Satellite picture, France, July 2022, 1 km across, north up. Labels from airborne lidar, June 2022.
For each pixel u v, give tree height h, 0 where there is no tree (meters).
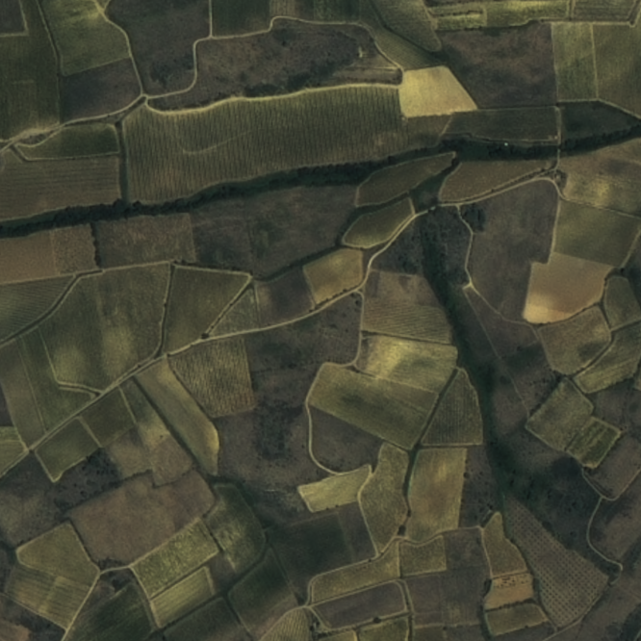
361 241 0
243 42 0
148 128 0
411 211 0
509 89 0
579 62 0
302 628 0
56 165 0
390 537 0
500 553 0
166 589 0
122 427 0
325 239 0
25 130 0
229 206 0
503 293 0
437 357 0
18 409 0
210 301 0
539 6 0
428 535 0
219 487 0
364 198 0
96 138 0
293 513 0
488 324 0
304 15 0
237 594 0
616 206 0
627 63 0
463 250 0
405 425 0
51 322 0
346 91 0
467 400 0
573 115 0
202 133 0
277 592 0
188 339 0
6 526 0
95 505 0
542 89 0
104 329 0
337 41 0
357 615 0
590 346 0
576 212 0
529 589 0
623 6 0
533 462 0
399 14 0
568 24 0
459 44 0
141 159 0
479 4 0
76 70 0
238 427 0
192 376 0
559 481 0
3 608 0
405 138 0
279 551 0
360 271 0
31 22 0
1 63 0
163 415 0
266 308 0
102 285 0
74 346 0
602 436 0
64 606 0
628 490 0
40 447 0
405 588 0
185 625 0
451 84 0
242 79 0
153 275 0
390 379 0
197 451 0
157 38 0
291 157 0
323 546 0
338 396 0
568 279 0
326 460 0
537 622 0
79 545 0
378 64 0
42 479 0
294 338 0
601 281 0
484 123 0
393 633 0
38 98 0
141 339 0
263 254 0
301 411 0
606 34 0
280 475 0
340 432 0
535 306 0
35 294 0
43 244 0
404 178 0
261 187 6
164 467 0
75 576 0
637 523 0
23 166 0
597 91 0
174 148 0
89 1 0
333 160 0
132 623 0
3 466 0
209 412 0
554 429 0
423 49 0
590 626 0
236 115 0
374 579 0
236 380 0
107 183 0
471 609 0
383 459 0
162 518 0
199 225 0
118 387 0
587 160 0
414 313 0
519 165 0
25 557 0
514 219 0
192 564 0
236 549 0
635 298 0
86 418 0
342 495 0
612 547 0
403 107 0
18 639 0
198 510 0
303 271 0
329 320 0
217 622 0
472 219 13
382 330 0
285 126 0
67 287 0
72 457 0
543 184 0
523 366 0
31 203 0
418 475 0
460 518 0
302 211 0
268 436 0
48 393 0
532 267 0
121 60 0
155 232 0
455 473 0
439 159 0
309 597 0
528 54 0
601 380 0
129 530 0
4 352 0
